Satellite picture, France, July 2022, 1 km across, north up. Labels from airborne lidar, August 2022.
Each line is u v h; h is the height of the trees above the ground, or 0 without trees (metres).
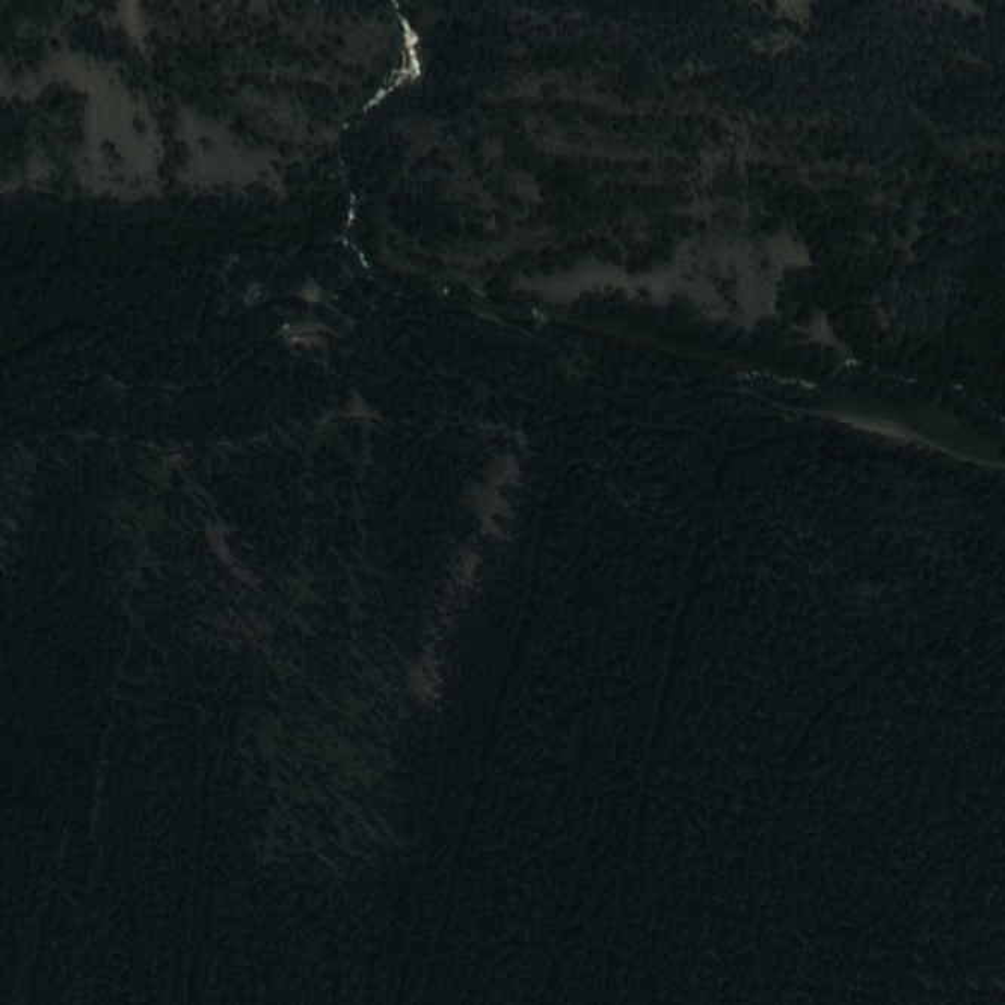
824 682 29
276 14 10
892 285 10
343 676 31
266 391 18
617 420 22
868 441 18
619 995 18
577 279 0
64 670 21
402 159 13
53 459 26
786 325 12
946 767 28
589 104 7
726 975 31
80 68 0
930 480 25
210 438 9
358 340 14
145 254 18
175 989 12
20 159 12
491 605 23
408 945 12
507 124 6
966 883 34
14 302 28
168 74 15
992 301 18
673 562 21
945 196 25
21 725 17
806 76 16
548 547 14
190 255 23
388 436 8
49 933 14
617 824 20
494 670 26
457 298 9
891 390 11
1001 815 34
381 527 16
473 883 28
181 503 11
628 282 0
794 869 35
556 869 19
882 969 20
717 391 7
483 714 21
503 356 23
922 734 22
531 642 36
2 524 30
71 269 25
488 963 34
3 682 18
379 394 16
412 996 11
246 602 35
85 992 18
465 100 8
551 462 18
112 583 31
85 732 19
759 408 20
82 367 26
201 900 11
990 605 10
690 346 10
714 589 31
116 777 20
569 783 20
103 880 30
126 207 9
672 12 15
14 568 18
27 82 0
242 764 33
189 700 24
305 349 8
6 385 23
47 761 15
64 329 25
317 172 14
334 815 12
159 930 24
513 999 27
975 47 15
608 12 14
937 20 14
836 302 14
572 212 7
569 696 32
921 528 18
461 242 7
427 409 12
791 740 24
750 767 34
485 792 22
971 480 15
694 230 7
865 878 7
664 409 22
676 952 32
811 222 25
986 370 15
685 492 28
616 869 16
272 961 9
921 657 8
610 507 17
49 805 16
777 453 30
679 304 10
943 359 17
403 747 23
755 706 12
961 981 16
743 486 16
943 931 26
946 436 0
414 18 11
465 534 16
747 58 16
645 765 20
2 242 22
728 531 26
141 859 30
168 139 8
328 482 31
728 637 24
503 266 10
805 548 18
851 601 9
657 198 14
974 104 17
